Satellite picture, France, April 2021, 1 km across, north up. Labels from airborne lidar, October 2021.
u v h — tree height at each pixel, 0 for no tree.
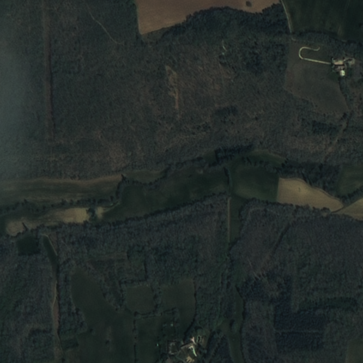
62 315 19
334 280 16
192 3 0
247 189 0
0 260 6
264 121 9
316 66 0
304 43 16
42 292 12
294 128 9
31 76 19
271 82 19
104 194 0
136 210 0
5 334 11
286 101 18
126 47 12
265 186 0
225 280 22
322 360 15
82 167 9
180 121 9
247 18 19
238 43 13
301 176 17
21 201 0
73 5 9
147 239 19
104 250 20
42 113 20
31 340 19
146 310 0
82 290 0
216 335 18
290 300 15
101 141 8
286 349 20
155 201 0
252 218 6
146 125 17
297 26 0
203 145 16
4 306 22
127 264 0
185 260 18
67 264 15
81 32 10
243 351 17
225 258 14
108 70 17
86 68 12
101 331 0
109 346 10
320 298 15
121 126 12
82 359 0
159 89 9
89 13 11
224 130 8
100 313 0
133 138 11
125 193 0
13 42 15
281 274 16
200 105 13
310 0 0
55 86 23
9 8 11
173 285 9
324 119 13
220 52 12
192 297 0
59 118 19
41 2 9
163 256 14
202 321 14
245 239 9
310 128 8
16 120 19
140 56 14
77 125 16
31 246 0
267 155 0
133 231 21
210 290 19
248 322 15
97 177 15
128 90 18
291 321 20
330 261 17
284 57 14
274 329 14
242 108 11
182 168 21
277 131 14
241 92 16
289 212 20
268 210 11
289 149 11
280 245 19
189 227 16
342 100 0
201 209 14
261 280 21
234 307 15
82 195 0
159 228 14
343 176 0
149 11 0
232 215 0
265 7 0
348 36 0
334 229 17
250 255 11
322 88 0
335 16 0
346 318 19
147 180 0
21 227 0
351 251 18
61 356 0
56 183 0
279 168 0
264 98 16
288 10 0
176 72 9
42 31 14
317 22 0
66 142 13
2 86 15
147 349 0
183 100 9
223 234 14
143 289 0
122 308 12
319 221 14
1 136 14
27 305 12
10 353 18
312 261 15
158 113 6
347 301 7
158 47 12
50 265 17
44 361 20
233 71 13
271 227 13
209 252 17
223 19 24
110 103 20
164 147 10
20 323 16
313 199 0
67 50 9
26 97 20
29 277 14
